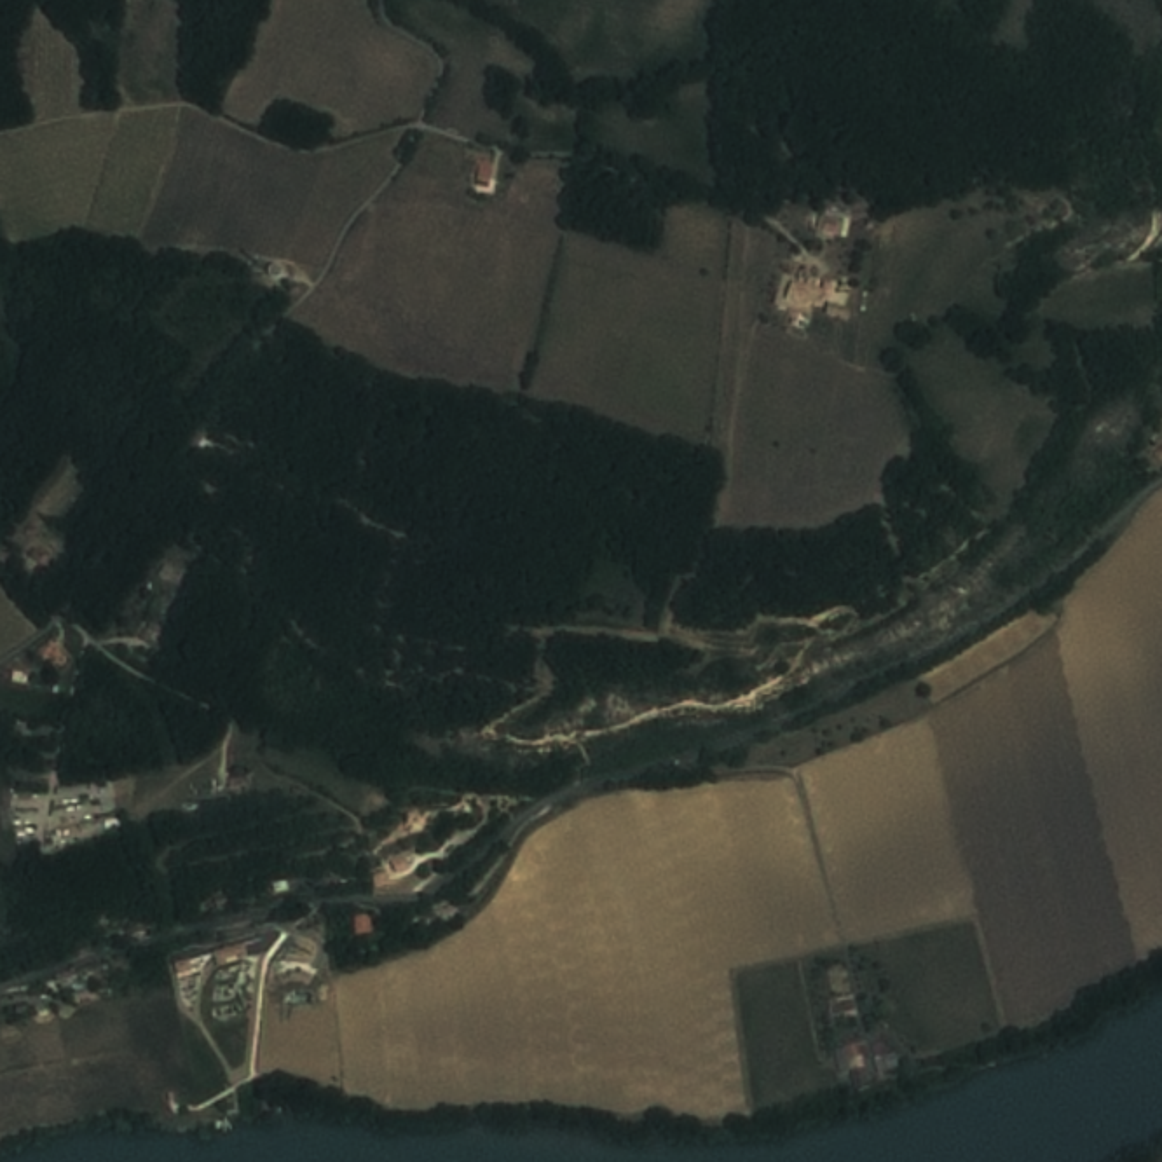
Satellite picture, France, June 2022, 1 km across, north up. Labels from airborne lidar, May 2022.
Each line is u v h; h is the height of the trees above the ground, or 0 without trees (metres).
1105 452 6
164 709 13
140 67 0
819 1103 8
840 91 19
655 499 16
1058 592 16
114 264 13
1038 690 0
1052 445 10
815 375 0
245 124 6
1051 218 6
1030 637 0
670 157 0
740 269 0
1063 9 12
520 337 0
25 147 0
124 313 8
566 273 0
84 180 0
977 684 0
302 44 0
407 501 14
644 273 0
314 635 19
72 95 0
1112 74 8
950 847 0
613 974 0
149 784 0
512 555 21
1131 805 0
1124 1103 0
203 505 20
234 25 17
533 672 14
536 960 0
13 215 0
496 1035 0
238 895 15
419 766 14
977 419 0
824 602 14
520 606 17
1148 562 0
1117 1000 20
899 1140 0
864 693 14
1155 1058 0
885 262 0
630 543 15
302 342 17
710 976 0
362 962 7
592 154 11
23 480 5
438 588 22
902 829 0
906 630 0
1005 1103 0
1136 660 0
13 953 11
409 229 0
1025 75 14
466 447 16
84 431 10
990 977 0
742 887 0
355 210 0
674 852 0
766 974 0
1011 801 0
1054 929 0
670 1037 0
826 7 20
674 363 0
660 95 14
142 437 17
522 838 0
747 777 0
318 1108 18
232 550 19
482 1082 0
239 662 19
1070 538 11
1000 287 10
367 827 11
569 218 12
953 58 17
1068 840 0
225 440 17
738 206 14
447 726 14
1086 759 0
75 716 10
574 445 17
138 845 16
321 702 7
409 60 0
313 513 16
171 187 0
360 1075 0
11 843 0
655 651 14
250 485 18
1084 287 0
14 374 7
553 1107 13
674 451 16
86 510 9
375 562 18
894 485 11
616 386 0
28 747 7
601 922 0
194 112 0
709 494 18
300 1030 0
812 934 0
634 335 0
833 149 20
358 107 0
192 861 10
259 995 0
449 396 18
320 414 23
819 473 0
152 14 0
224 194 0
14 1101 0
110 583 16
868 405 0
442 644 19
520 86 18
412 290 0
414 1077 0
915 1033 0
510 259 0
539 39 16
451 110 0
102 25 5
